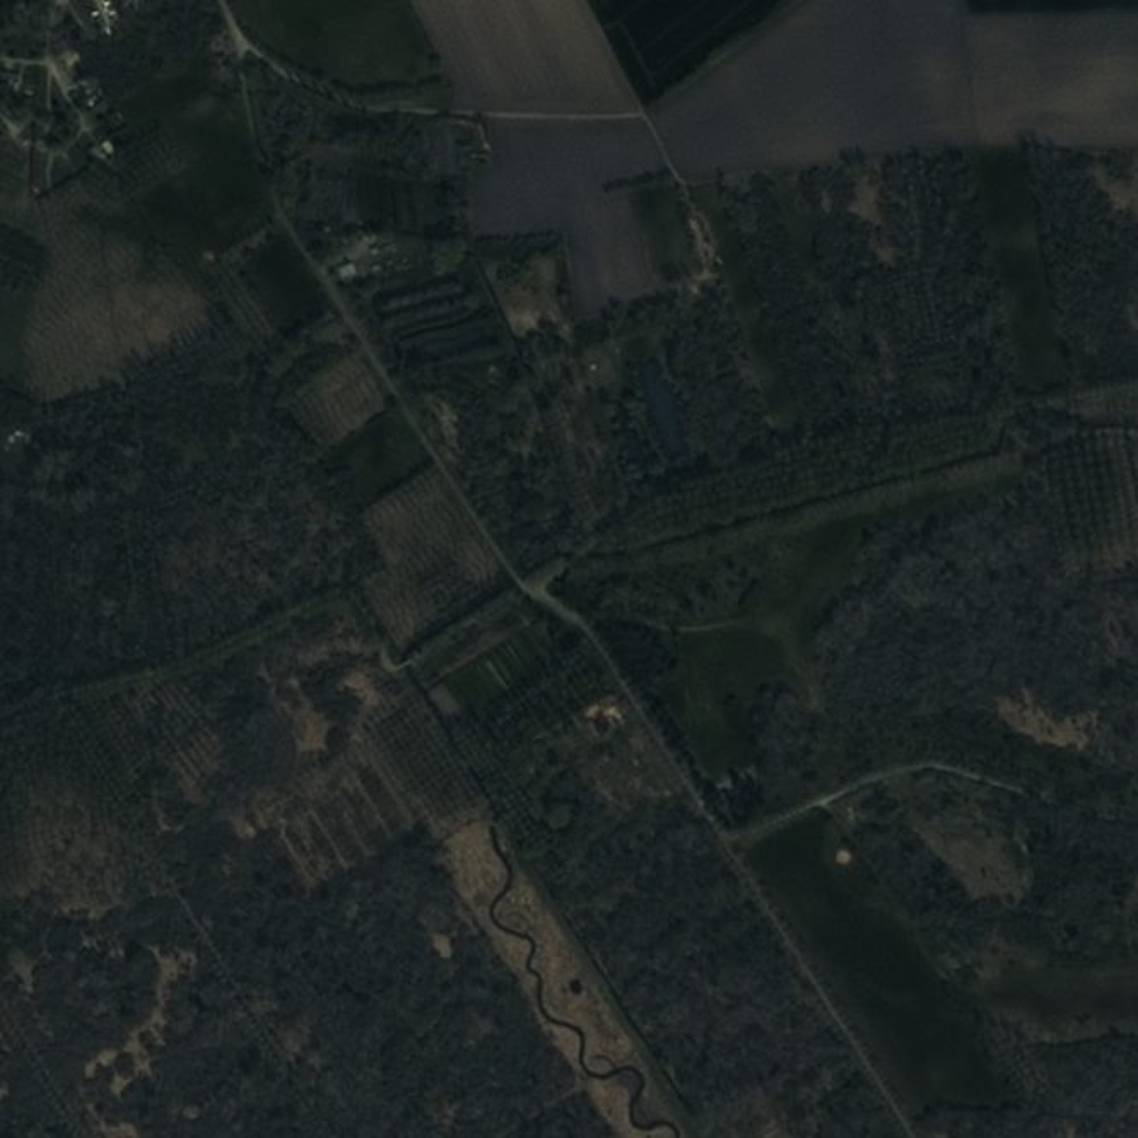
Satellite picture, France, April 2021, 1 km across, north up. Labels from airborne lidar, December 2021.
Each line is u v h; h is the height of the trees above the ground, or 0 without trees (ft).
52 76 0
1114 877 37
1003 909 45
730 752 0
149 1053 19
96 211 45
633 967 21
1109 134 0
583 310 0
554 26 0
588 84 0
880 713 46
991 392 70
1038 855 39
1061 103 0
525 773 101
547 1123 47
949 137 0
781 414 0
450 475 0
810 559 0
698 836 108
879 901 0
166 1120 21
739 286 0
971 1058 0
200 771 84
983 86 0
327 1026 61
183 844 22
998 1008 0
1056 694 20
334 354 50
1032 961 0
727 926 66
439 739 53
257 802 51
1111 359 18
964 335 74
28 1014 28
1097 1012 0
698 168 0
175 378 65
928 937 38
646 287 0
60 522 55
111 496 82
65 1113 74
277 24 0
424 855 57
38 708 93
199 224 0
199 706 65
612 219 0
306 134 50
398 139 88
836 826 38
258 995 25
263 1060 72
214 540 73
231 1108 47
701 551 80
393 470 0
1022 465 90
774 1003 94
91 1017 20
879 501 95
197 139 0
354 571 48
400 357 48
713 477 93
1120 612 26
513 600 73
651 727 73
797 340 23
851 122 0
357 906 45
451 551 61
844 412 22
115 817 92
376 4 0
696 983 85
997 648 35
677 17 0
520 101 0
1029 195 0
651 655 55
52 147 46
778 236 20
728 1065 65
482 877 0
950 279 50
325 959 46
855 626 64
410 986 55
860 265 20
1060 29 0
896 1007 0
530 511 30
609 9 0
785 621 0
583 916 37
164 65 46
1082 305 26
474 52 0
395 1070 29
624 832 22
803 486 95
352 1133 34
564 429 113
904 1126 74
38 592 18
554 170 0
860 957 0
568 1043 0
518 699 75
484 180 0
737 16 0
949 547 59
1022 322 0
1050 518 33
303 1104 52
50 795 76
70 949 40
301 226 19
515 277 45
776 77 0
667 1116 0
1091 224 66
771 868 0
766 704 21
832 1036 30
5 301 0
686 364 96
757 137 0
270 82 53
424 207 0
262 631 70
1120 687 79
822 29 0
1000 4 0
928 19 0
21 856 80
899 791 0
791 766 69
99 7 0
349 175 20
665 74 0
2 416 37
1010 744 19
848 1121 74
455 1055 28
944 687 24
